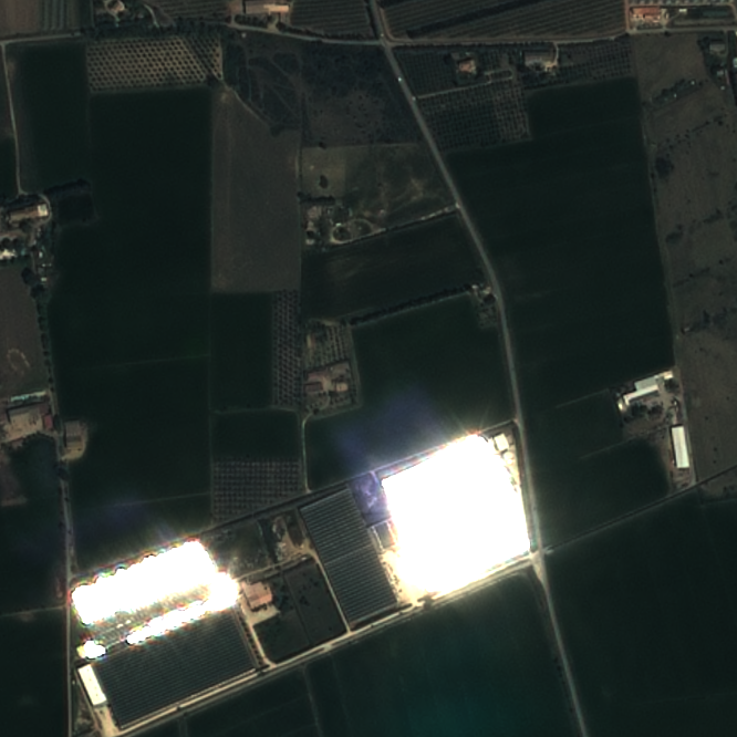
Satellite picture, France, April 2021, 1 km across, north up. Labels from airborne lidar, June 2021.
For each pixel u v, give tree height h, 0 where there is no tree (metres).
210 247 0
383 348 0
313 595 0
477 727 0
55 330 0
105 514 0
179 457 0
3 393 0
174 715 0
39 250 9
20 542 0
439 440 0
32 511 0
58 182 0
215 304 0
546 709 0
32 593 0
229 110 0
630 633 0
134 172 0
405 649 0
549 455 0
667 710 0
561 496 0
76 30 0
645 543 0
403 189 0
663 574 0
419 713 0
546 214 0
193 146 0
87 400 0
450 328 0
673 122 0
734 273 0
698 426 0
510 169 0
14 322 0
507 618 0
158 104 0
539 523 0
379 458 0
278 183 0
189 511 0
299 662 0
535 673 0
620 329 0
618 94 0
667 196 0
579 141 0
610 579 0
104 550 0
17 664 0
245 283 0
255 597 0
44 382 0
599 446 0
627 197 0
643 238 0
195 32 16
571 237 0
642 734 0
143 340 0
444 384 0
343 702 0
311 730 0
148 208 0
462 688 0
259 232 0
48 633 0
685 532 0
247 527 0
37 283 12
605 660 0
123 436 0
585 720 0
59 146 0
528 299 0
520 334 0
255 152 0
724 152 0
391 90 0
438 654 0
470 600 0
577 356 0
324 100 0
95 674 0
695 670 0
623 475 0
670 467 0
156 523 0
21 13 0
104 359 0
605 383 0
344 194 0
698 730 0
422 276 0
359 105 0
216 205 0
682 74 0
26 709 0
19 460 0
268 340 0
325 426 0
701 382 0
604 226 0
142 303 0
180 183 0
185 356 0
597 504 0
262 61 0
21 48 0
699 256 0
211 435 0
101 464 0
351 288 0
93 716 0
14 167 0
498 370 0
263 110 0
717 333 0
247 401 0
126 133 0
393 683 0
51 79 0
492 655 0
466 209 0
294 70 0
